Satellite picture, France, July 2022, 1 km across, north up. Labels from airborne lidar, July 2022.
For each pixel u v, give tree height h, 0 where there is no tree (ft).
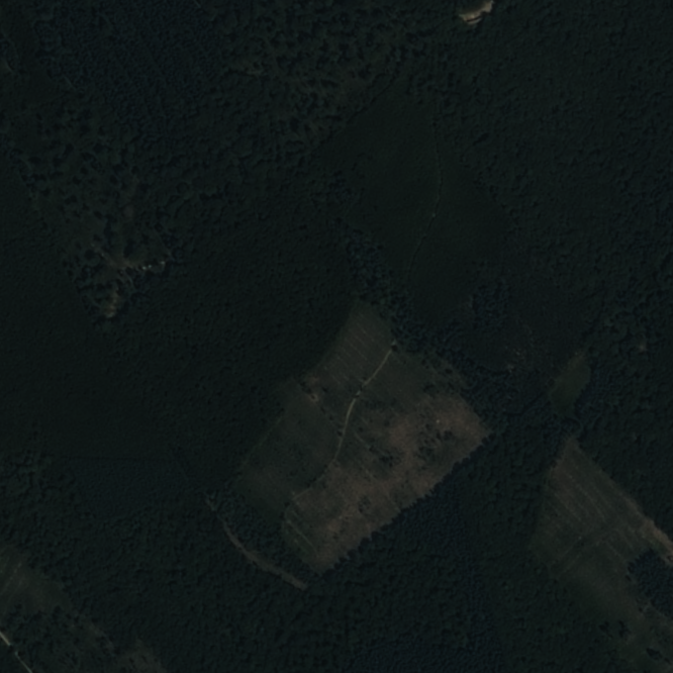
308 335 79
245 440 59
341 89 76
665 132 77
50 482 31
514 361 45
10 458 35
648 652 0
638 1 72
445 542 80
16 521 32
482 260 25
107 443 43
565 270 62
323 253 74
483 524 70
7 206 51
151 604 60
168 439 50
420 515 74
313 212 85
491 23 60
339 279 77
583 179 64
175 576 66
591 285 71
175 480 52
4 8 22
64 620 63
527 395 49
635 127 67
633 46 84
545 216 63
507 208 58
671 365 63
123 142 77
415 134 34
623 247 67
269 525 78
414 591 51
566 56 75
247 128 83
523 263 51
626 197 71
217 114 75
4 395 34
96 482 56
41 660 58
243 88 56
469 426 0
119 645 68
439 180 20
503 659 82
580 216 67
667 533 66
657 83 73
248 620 81
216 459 45
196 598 78
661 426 70
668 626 0
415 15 81
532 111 60
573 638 78
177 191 77
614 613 0
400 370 0
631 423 77
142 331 85
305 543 0
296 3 88
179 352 86
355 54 91
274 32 94
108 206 58
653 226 83
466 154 54
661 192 80
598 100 62
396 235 27
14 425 53
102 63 88
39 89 29
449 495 71
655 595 70
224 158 94
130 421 44
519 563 72
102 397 51
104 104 66
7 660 43
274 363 73
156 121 70
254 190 89
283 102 64
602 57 78
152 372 86
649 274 21
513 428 75
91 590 69
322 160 38
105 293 80
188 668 73
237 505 62
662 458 83
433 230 22
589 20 80
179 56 82
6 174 48
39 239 39
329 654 24
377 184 26
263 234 71
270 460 0
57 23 79
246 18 91
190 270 81
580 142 62
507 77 70
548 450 63
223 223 76
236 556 58
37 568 73
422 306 35
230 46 86
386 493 0
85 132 24
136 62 57
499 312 71
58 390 48
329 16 94
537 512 65
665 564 87
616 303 69
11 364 47
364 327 0
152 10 85
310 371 66
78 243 0
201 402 76
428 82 80
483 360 60
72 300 40
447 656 81
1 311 42
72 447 37
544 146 58
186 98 80
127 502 54
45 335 42
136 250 82
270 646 78
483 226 27
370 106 27
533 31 77
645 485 71
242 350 76
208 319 83
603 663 79
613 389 75
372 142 29
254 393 63
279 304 78
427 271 21
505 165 69
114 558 77
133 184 75
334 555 0
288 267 78
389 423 25
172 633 52
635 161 78
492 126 68
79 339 49
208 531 46
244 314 84
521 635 72
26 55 40
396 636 70
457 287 32
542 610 73
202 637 70
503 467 74
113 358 58
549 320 54
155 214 22
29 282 43
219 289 82
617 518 0
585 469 0
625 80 80
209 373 86
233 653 76
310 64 71
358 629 64
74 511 23
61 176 69
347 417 0
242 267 78
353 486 0
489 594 69
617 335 80
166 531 61
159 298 87
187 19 81
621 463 79
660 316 43
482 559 73
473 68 54
